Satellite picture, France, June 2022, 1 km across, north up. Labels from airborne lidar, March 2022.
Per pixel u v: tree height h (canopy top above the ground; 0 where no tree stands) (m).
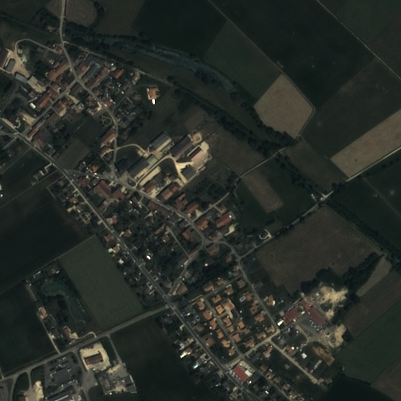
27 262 0
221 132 0
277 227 0
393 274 0
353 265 0
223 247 0
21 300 0
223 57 0
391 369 0
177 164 0
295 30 0
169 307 0
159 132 0
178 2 0
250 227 0
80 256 0
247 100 0
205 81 27
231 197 0
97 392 0
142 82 0
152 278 0
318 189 0
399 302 0
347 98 0
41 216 0
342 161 0
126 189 0
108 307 0
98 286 0
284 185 0
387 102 0
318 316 0
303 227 0
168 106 0
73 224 0
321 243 0
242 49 0
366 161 0
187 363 0
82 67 0
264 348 0
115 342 0
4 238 0
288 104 0
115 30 0
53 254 0
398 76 0
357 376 0
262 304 0
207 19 0
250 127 0
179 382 0
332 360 0
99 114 0
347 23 0
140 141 0
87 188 9
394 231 0
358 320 0
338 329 0
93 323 0
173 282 8
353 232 0
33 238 0
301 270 0
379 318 0
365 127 0
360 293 0
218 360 0
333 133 0
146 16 0
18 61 0
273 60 0
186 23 0
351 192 0
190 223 0
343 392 0
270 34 0
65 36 0
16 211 0
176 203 0
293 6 0
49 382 0
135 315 0
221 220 0
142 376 0
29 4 0
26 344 0
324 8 0
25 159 0
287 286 0
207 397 0
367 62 0
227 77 0
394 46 0
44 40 0
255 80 0
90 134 0
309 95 0
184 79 0
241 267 0
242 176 0
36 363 0
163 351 0
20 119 0
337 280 0
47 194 0
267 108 0
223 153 0
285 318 0
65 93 0
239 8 0
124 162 0
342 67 0
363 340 0
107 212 0
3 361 0
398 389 0
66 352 0
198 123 0
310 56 0
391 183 0
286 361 0
